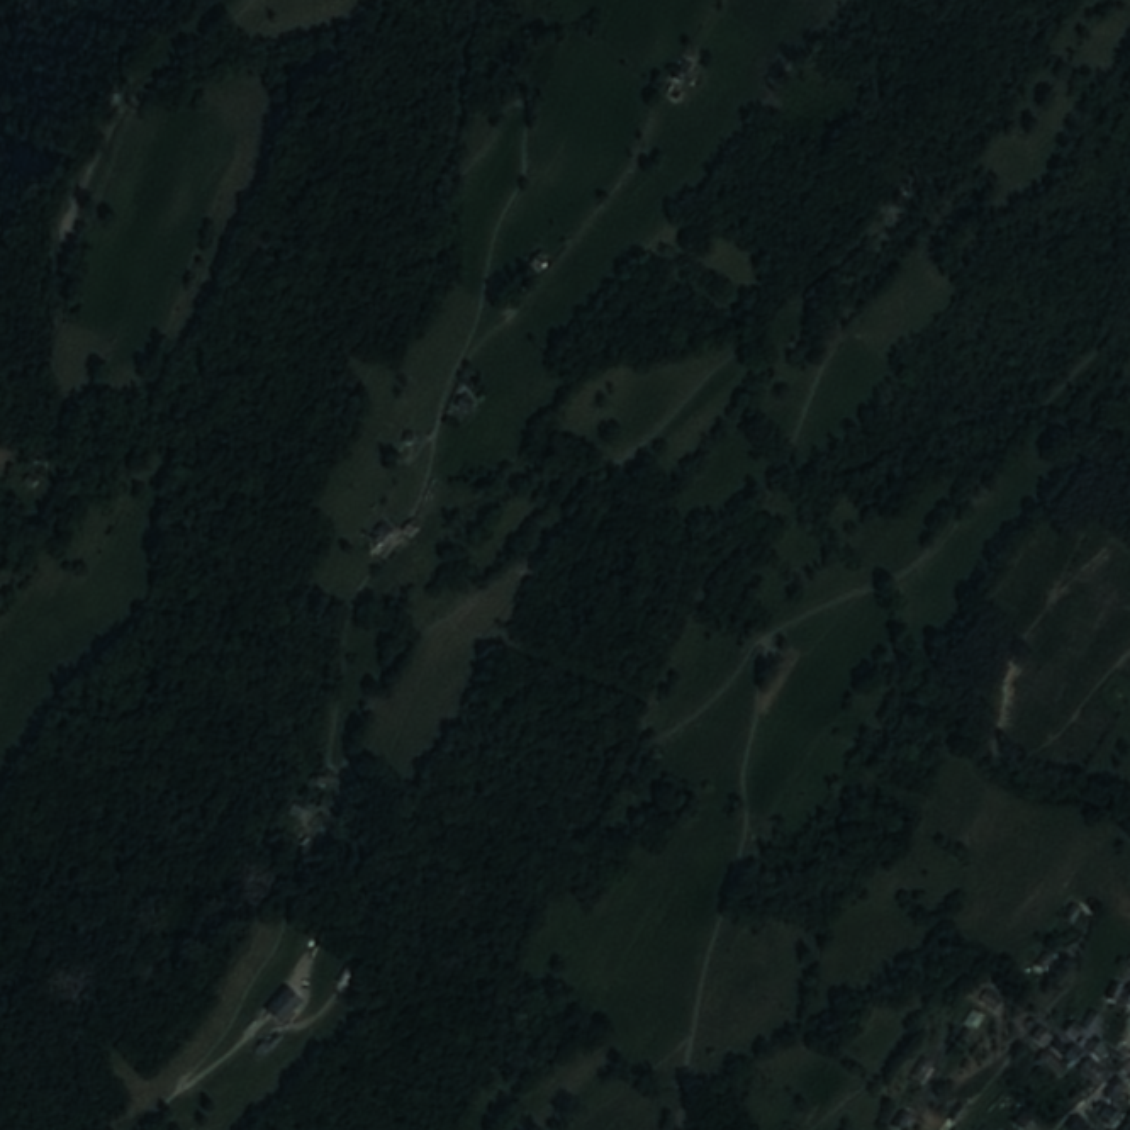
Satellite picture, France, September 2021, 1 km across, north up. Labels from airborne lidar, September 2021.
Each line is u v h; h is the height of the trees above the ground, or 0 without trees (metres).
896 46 23
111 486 22
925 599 0
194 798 19
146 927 28
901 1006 14
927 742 19
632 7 0
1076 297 16
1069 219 19
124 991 22
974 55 29
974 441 20
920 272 0
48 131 32
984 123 19
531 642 15
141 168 0
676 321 23
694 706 0
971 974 18
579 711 25
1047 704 0
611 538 27
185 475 30
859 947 0
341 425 15
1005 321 9
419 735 0
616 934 0
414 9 16
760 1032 0
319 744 8
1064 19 18
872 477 17
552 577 26
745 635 9
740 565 24
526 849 19
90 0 31
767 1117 0
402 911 28
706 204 19
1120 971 7
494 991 30
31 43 29
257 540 23
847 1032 21
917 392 18
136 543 0
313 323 24
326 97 20
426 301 18
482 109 17
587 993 0
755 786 0
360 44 21
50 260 12
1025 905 0
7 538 22
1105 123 18
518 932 16
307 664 15
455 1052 23
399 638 20
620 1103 0
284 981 0
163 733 28
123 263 0
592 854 21
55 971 23
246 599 23
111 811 28
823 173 20
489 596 0
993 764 26
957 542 0
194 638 28
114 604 0
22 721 0
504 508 15
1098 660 0
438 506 0
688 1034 0
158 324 0
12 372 24
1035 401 18
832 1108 0
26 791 28
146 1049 17
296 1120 22
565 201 0
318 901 22
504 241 0
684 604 23
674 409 0
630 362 19
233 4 0
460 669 0
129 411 24
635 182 0
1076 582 0
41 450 23
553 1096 0
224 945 21
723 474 0
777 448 24
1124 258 22
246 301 25
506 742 18
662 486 19
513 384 0
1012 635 27
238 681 24
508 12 16
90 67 26
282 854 25
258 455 35
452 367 0
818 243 12
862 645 0
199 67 24
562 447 21
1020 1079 9
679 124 0
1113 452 15
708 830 0
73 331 0
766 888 15
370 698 20
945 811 0
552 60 0
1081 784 22
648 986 0
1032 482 0
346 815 23
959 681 26
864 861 17
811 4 0
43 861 14
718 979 0
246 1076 0
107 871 25
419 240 25
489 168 0
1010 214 11
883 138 16
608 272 0
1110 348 15
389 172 31
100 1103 21
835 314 22
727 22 0
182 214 0
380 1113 10
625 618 28
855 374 0
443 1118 22
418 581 0
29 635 0
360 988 21
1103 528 27
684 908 0
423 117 19
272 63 20
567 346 16
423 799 15
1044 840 0
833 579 0
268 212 25
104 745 29
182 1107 0
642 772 16
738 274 0
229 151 0
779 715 0
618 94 0
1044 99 19
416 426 0
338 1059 25
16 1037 25
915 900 12
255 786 23
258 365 24
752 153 21
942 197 18
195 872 19
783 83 20
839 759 0
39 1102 14
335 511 0
